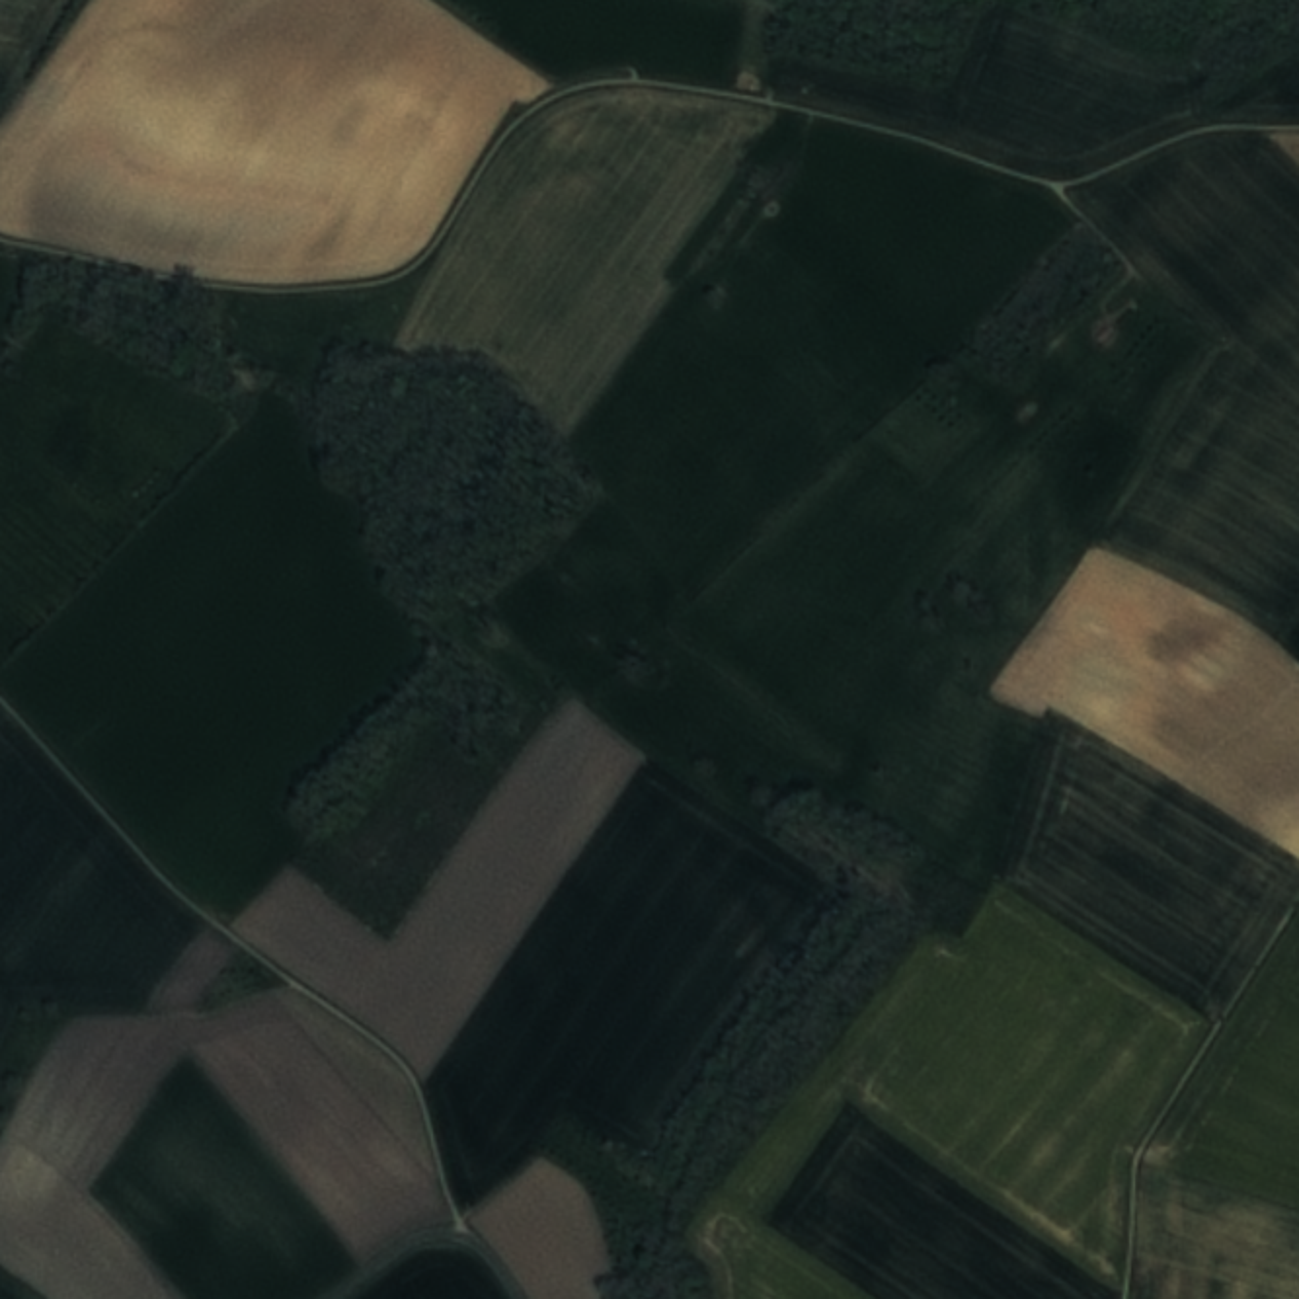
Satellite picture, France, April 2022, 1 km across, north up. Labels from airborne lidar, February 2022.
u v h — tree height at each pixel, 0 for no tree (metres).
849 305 0
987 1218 0
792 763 0
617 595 0
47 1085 0
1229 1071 0
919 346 0
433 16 0
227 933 0
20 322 14
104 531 0
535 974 0
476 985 0
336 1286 0
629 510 0
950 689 0
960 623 0
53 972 0
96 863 0
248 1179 0
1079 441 0
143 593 0
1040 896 0
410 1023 0
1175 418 0
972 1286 0
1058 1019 0
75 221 0
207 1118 0
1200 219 0
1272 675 0
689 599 0
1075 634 0
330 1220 0
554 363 0
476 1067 0
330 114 0
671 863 0
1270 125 0
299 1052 0
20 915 0
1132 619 0
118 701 0
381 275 0
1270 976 0
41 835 0
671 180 0
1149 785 0
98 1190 0
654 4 0
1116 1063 0
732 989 0
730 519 0
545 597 0
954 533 0
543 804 0
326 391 17
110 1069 0
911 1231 0
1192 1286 0
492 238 0
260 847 0
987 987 0
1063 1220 0
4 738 0
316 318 0
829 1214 0
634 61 0
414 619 17
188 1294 0
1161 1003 0
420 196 0
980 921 0
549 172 0
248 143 0
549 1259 0
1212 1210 0
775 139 0
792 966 16
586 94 0
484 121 0
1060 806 0
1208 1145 0
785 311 0
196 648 0
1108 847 0
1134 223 0
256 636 0
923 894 0
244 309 0
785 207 0
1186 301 0
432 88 0
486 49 0
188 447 0
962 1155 0
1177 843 0
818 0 13
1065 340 0
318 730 0
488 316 0
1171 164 0
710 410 0
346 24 0
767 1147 0
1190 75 0
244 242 0
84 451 0
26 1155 0
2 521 0
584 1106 0
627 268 0
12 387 0
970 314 0
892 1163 0
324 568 0
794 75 0
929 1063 0
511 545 32
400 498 20
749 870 0
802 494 0
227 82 0
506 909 0
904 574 0
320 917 0
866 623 0
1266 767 0
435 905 0
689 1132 10
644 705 0
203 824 0
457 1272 0
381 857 0
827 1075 0
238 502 0
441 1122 0
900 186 0
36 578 0
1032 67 0
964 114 0
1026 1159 0
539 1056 0
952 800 0
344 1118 0
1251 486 0
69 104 0
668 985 0
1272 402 0
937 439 0
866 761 0
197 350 23
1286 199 0
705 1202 11
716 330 0
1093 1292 0
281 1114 0
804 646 0
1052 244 0
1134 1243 0
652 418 0
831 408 0
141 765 0
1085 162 0
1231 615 0
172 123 0
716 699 0
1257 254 0
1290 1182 0
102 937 0
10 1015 0
